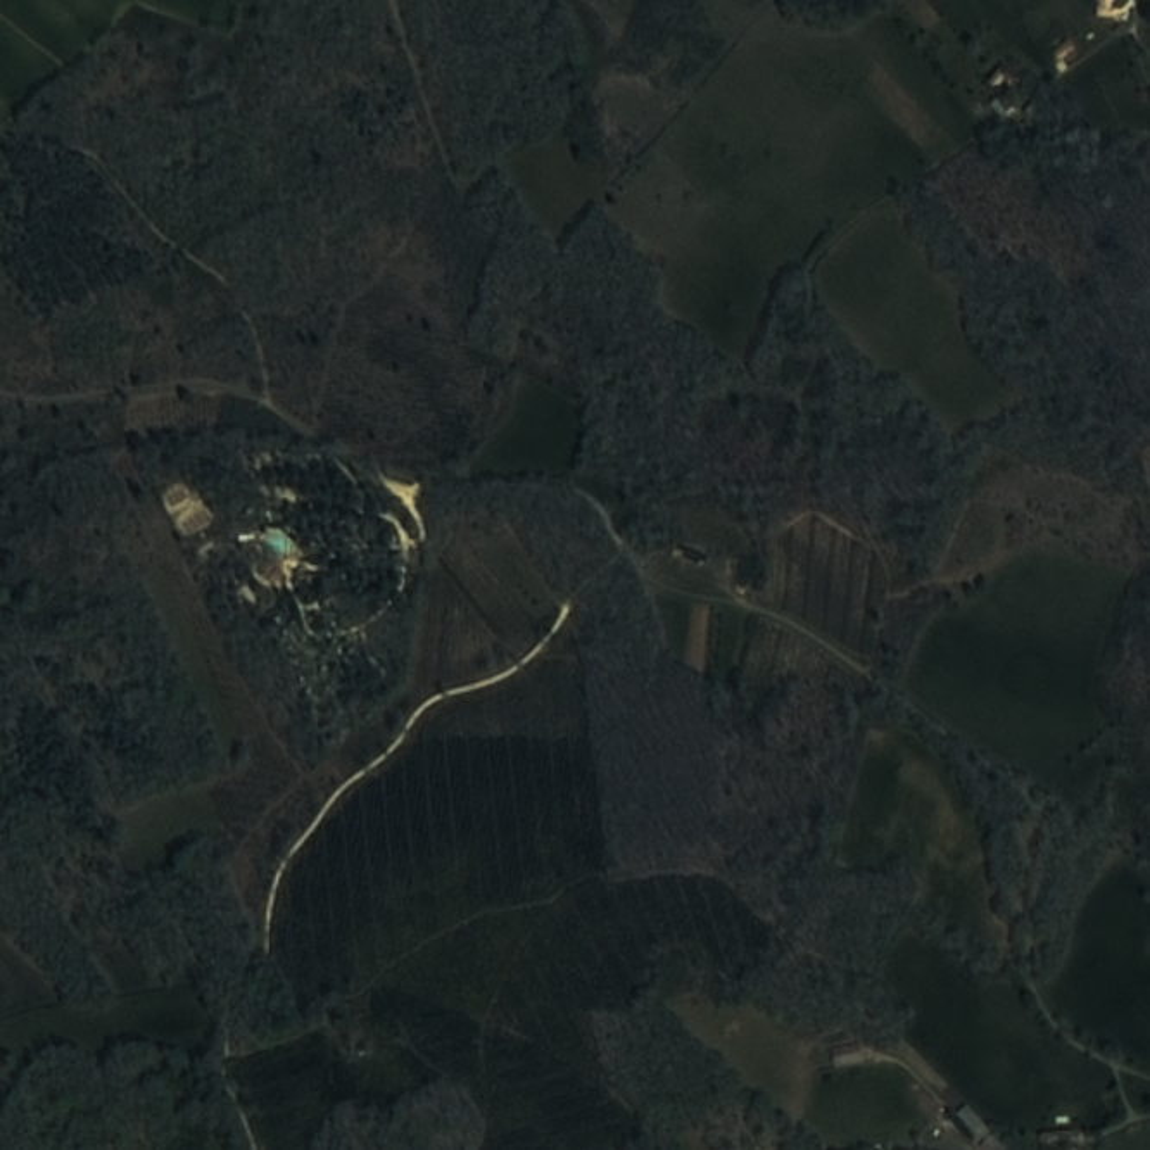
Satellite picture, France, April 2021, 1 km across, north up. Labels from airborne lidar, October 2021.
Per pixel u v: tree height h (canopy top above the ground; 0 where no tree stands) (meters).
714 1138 11
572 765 7
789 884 17
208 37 15
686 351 22
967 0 0
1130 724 7
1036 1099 0
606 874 13
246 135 15
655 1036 22
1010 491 0
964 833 0
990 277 12
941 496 24
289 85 19
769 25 0
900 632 6
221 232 11
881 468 17
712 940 6
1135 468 9
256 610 7
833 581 0
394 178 8
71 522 13
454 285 6
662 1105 23
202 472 17
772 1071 0
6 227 11
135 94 10
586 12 9
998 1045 0
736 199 0
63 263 16
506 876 6
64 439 7
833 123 0
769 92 0
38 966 18
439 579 0
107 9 0
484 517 10
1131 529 16
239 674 13
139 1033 0
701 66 6
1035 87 13
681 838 17
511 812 6
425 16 20
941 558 18
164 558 0
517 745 7
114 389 6
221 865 19
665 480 13
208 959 20
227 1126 23
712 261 0
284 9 14
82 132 12
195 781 18
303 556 11
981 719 0
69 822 13
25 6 0
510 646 0
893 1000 11
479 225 17
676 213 0
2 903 14
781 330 18
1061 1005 0
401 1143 14
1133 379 21
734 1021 0
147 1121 18
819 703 6
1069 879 23
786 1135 15
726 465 7
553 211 0
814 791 10
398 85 10
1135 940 0
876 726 6
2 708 8
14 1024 0
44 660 6
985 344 16
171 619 0
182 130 15
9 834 22
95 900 17
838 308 0
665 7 12
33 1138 23
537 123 19
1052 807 12
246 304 18
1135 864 8
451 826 7
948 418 0
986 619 0
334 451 23
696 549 0
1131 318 19
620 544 16
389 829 6
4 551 7
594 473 15
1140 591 10
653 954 18
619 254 19
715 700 21
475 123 18
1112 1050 13
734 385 18
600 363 17
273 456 17
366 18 9
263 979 20
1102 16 0
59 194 17
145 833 0
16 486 16
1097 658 0
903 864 11
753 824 9
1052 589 0
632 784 19
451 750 7
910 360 0
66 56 0
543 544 15
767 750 21
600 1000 6
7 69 0
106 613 15
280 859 18
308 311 7
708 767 19
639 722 18
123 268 15
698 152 0
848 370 16
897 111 0
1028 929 22
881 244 0
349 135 9
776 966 20
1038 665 0
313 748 12
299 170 9
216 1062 18
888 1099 0
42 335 10
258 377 15
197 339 9
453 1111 18
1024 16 0
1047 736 0
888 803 0
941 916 0
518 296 16
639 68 9
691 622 0
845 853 0
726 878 16
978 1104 0
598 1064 18
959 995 0
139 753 14
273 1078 5
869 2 11
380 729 0
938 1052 0
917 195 13
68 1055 20
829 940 17
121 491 14
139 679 14
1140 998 0
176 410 11
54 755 15
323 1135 15
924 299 0
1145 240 20
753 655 0
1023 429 14
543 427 0
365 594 11
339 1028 13
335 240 8
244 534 14
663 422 13
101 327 8
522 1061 6
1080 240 16
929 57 7
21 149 15
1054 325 18
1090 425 19
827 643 0
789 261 0
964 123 0
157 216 13
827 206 0
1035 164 24
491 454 0
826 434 21
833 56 0
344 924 6
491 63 23
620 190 7
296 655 9
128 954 20
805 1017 20
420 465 7
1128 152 19
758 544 7
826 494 15
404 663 14
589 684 18
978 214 8
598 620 17
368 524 14
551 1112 6
